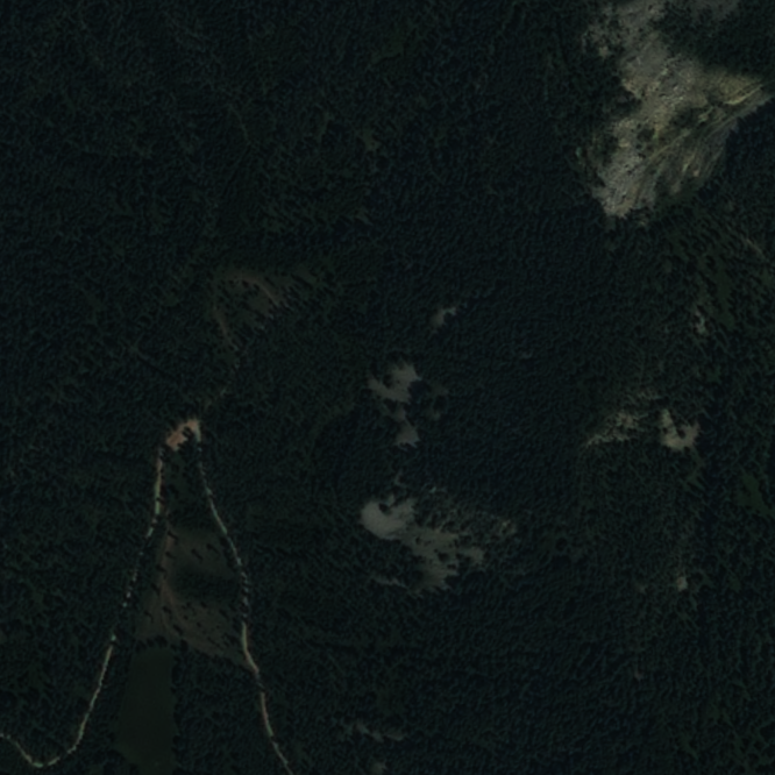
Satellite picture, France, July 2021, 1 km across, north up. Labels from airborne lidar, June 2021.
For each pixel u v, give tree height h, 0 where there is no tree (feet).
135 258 41
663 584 38
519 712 42
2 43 84
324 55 94
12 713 107
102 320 52
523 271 79
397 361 76
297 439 92
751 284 64
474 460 52
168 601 0
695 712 94
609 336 71
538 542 75
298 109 101
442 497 24
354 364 31
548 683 76
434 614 68
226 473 66
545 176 56
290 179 97
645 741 65
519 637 70
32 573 44
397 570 59
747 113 0
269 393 28
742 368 99
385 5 89
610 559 48
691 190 23
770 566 60
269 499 82
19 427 51
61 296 45
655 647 81
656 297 65
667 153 0
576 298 67
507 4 44
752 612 78
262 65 27
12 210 47
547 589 70
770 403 40
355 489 55
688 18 27
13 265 74
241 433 72
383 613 77
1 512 81
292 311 91
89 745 38
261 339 81
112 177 52
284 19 40
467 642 76
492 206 79
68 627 52
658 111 0
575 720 67
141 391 51
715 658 90
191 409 80
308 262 25
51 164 72
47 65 112
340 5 88
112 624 62
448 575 0
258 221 29
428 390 66
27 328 78
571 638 62
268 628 87
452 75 76
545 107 49
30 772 41
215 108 45
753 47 40
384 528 0
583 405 45
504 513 21
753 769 32
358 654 85
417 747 85
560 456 57
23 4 31
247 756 73
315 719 78
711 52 42
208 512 27
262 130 29
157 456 30
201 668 26
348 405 66
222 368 99
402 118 91
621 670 58
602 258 80
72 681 87
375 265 31
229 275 0
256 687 79
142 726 0
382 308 72
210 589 31
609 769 79
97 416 92
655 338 30
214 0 51
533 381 65
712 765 80
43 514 74
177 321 51
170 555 0
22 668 36
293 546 23
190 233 38
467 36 63
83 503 107
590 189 20
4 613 110
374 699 79
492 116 79
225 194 48
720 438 100
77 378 95
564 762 43
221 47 42
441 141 34
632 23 0
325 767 68
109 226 38
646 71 0
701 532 66
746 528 75
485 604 75
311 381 72
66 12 84
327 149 29
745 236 62
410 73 23
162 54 48
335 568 89
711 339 37
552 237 88
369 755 70
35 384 86
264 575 69
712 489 84
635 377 37
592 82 49
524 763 47
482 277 68
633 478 64
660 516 58
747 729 84
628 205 0
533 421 54
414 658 44
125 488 51
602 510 64
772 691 69
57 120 33
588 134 23
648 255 75
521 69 62
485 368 46
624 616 29
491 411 31
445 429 40
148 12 48
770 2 26
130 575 31
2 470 54
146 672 0
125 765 103
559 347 36
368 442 72
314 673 24
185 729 69
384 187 84
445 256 54
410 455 48
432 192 35
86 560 95
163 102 94
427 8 106
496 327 46
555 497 63
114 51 94
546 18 93
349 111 100
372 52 100
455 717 62
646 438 29
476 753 73
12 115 42
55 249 47
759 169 52
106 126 85
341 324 23
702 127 29
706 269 0
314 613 25
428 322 71
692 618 70
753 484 0
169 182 49
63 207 45
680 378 96
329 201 30
